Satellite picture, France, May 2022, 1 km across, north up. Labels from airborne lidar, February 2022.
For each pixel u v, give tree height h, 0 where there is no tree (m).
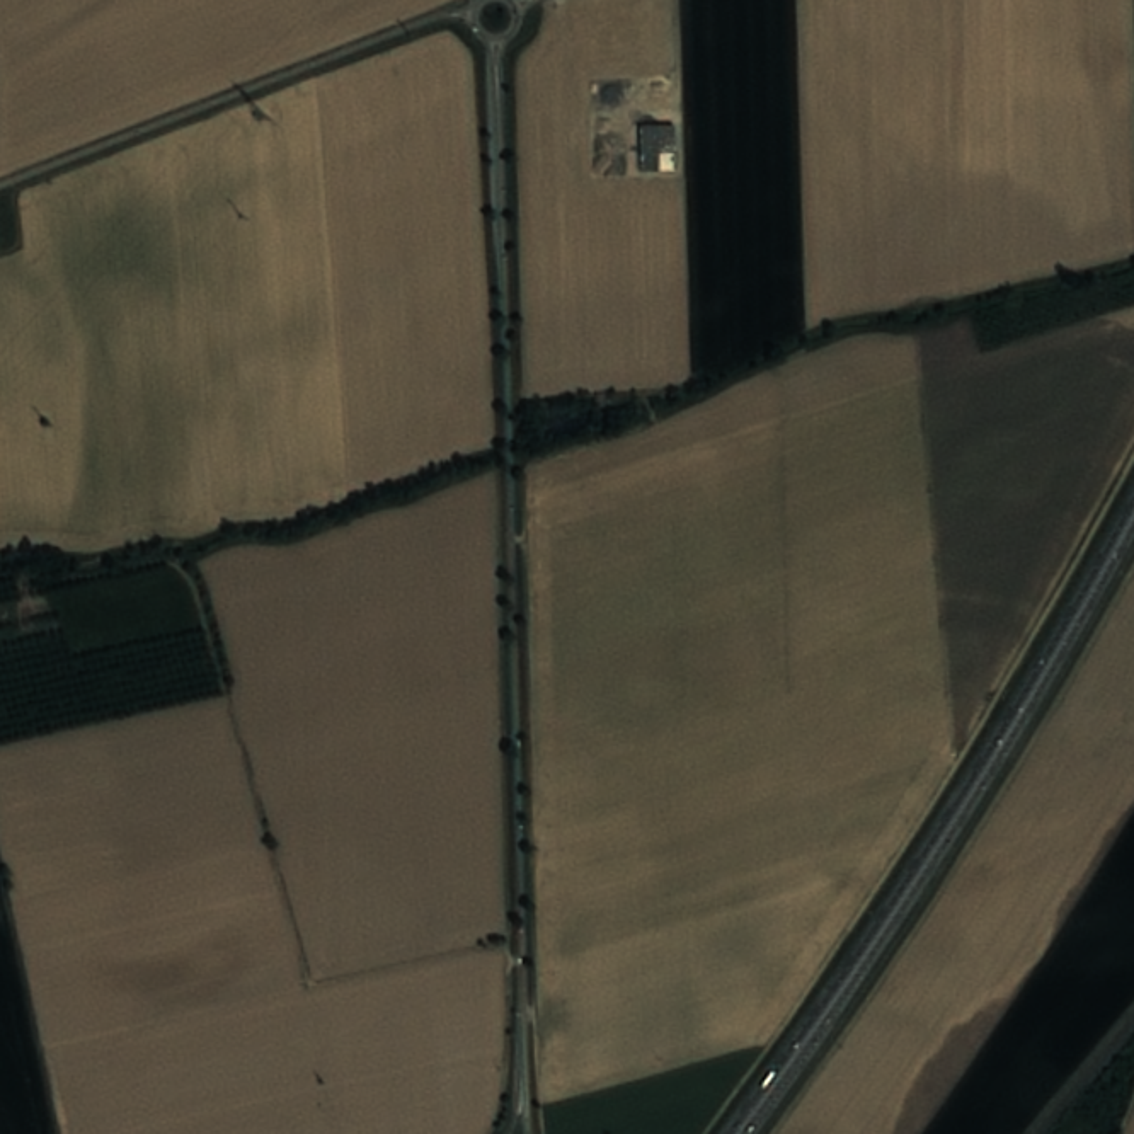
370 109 0
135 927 0
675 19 0
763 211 0
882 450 0
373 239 0
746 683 0
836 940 0
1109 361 0
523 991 0
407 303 0
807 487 0
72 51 0
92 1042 0
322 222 0
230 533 16
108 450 0
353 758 0
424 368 0
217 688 6
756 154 0
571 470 0
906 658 0
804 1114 0
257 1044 0
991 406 0
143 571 8
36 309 0
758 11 0
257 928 0
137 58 0
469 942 0
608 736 0
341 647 0
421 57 0
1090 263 0
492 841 0
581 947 0
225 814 0
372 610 0
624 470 0
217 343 0
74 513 0
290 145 0
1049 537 0
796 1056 0
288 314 0
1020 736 0
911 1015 0
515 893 0
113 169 0
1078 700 0
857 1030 0
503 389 0
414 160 0
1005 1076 0
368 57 0
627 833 0
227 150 0
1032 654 0
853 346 0
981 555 0
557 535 0
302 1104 0
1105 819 0
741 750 0
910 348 0
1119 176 0
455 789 0
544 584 0
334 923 0
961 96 0
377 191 0
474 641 0
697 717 0
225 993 0
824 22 0
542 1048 0
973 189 0
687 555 0
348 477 0
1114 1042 0
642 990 0
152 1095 0
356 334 0
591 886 0
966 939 0
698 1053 0
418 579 0
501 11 6
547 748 0
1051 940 0
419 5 0
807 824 0
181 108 0
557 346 0
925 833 0
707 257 0
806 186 0
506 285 0
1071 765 0
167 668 6
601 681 0
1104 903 0
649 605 0
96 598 0
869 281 0
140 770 0
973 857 0
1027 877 0
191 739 0
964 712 0
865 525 0
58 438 0
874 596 0
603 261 0
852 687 0
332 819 0
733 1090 0
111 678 9
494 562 0
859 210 0
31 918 0
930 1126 0
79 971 0
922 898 0
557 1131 0
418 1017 0
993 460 0
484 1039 0
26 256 0
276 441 0
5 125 0
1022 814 0
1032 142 0
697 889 0
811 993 0
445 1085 0
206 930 0
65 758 0
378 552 0
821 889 0
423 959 0
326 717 0
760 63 0
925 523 0
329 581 0
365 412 0
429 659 0
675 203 0
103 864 0
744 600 0
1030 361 0
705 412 0
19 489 0
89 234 0
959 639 0
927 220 0
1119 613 0
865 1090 0
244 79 0
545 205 0
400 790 0
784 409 0
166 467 0
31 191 0
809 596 0
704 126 0
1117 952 0
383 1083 0
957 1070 0
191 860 0
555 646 0
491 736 0
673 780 0
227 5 0
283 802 0
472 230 0
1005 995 0
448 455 0
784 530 0
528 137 0
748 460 0
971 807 0
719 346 0
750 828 0
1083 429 0
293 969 0
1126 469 0
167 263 0
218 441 0
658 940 0
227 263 0
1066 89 0
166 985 0
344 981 0
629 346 0
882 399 0
